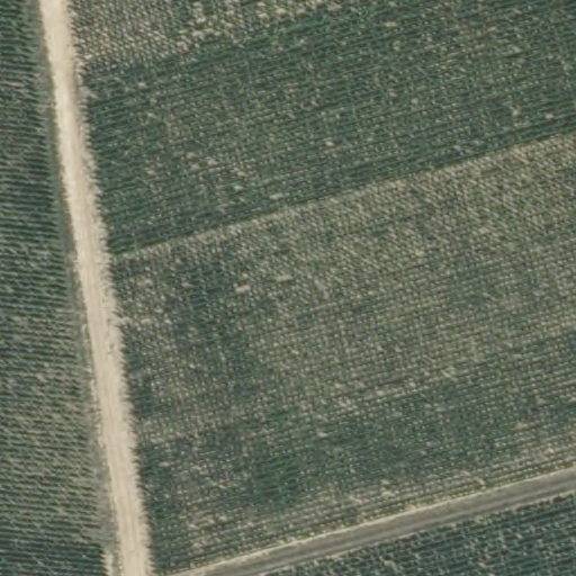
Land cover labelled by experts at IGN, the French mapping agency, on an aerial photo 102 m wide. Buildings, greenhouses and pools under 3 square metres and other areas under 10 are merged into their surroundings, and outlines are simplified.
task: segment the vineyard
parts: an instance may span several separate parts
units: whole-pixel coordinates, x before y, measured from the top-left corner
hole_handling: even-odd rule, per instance
[[[110,475],[104,448],[99,446],[97,437],[101,410],[99,401],[90,394],[90,380],[95,378],[92,344],[88,331],[88,311],[81,295],[79,275],[74,270],[77,245],[63,185],[54,79],[47,59],[38,0],[0,0],[0,576],[122,576],[122,551],[115,511],[110,502]]]
[[[88,124],[88,149],[97,164],[97,207],[106,227],[106,245],[110,254],[108,270],[115,288],[119,333],[124,344],[124,383],[128,389],[128,403],[133,412],[131,430],[135,434],[135,466],[140,475],[137,486],[142,495],[142,506],[146,511],[149,554],[153,563],[149,576],[576,576],[576,0],[70,0],[68,7],[72,18],[72,45],[77,50],[79,61],[83,63],[83,83],[88,90],[97,95],[97,99],[88,99],[83,115]]]

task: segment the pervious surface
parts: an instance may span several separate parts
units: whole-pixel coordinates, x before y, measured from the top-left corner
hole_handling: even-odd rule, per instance
[[[97,437],[99,446],[104,448],[110,475],[110,502],[115,511],[122,551],[122,576],[149,576],[153,563],[149,554],[146,511],[142,506],[142,495],[137,486],[140,475],[135,466],[135,434],[131,430],[133,412],[128,403],[128,389],[124,383],[124,344],[119,333],[115,288],[108,270],[110,254],[106,245],[106,227],[97,207],[97,164],[88,149],[88,124],[83,115],[88,99],[97,99],[97,95],[88,90],[83,83],[83,63],[79,61],[77,50],[72,45],[72,18],[68,7],[70,0],[38,0],[47,59],[54,79],[63,185],[77,245],[74,270],[79,275],[81,295],[88,311],[88,331],[92,344],[95,378],[90,380],[90,394],[99,401],[101,410]]]

